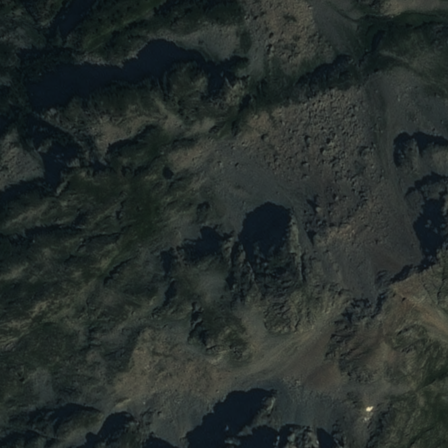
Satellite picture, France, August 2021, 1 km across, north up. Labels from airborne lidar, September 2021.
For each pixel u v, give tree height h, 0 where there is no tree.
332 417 0
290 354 0
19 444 0
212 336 0
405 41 0
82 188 0
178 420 0
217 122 0
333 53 0
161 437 0
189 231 0
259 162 0
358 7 0
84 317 0
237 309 0
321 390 0
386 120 0
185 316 0
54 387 0
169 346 0
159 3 0
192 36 0
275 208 0
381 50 0
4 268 0
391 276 0
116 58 0
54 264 0
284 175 0
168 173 0
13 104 0
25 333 0
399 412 0
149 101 0
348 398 0
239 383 0
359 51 0
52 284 0
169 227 0
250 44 0
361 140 0
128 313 0
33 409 0
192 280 0
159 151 0
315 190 0
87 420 0
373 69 0
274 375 0
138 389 0
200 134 0
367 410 0
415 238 0
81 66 0
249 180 0
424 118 0
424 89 0
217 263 0
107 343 0
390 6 0
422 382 0
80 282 0
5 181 0
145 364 0
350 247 0
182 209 0
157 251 0
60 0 0
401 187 0
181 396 0
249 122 0
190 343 0
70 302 0
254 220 0
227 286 0
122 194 0
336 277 0
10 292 0
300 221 0
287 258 0
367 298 0
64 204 0
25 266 0
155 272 0
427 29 0
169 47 0
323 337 0
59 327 0
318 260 0
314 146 0
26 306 0
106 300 0
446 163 0
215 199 0
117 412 0
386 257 0
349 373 10
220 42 0
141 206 0
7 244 0
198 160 0
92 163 0
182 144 0
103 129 0
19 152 0
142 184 0
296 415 0
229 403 0
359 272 0
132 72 0
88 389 0
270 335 0
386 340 0
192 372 0
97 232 0
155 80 7
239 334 0
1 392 0
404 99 0
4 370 0
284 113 0
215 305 0
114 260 0
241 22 0
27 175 0
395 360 0
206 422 0
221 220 0
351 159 0
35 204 0
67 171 6
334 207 0
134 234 0
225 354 0
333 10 0
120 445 0
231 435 0
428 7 0
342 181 0
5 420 0
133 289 0
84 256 0
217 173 0
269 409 0
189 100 0
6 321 0
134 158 0
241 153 0
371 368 0
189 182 0
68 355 0
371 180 0
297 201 0
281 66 0
